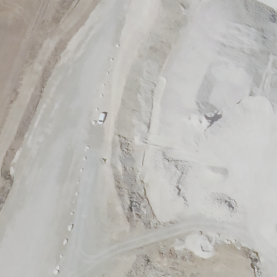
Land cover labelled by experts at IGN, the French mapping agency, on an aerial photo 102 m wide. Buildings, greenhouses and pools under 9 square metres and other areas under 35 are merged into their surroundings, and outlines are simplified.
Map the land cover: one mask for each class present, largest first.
<instances>
[{"label":"pervious surface","instance_id":"1","mask_svg":"<svg viewBox=\"0 0 277 277\"><path fill-rule=\"evenodd\" d=\"M25 74L18 89L17 100L12 104L9 116L0 124V277H277V0H75L61 19L55 36L44 41L34 65L24 68Z\"/></svg>","mask_w":277,"mask_h":277},{"label":"plowed land","instance_id":"2","mask_svg":"<svg viewBox=\"0 0 277 277\"><path fill-rule=\"evenodd\" d=\"M75 0H0V124L9 116L12 104L17 100L18 89L25 74L24 68L34 65L44 41L55 36L61 19Z\"/></svg>","mask_w":277,"mask_h":277}]
</instances>
